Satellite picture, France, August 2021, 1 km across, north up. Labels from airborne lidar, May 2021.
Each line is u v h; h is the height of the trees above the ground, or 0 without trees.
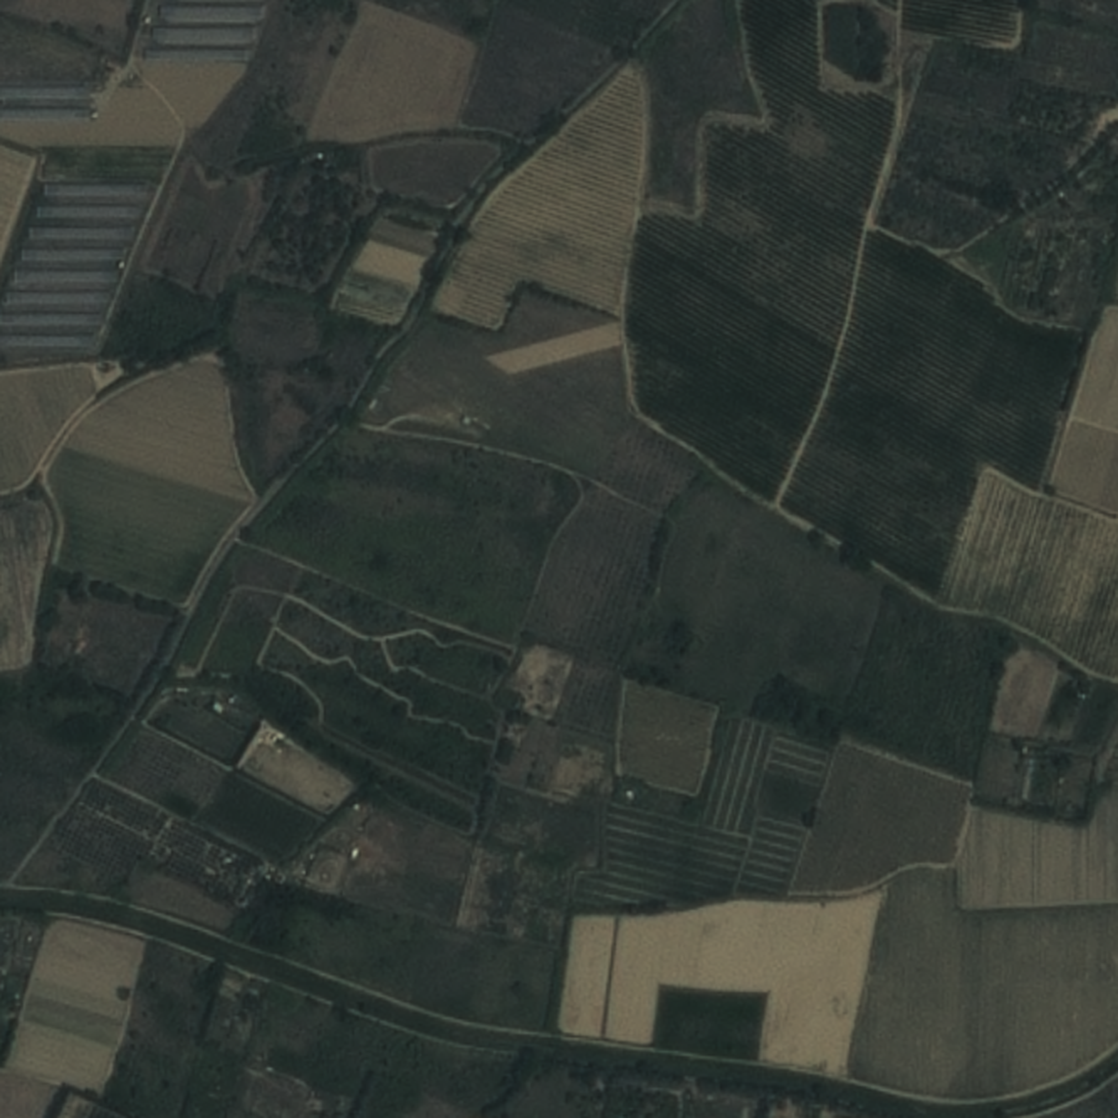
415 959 0
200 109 0
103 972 0
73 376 0
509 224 0
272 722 7
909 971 0
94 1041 0
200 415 0
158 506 0
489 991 0
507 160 6
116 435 0
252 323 0
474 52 0
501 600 0
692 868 0
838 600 0
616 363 0
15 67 0
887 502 0
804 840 0
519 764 0
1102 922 0
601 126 0
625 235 0
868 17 13
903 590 0
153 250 0
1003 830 0
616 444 0
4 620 0
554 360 0
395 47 0
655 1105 14
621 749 0
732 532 0
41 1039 0
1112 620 0
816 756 0
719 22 0
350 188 8
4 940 0
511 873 0
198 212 0
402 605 0
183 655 6
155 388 0
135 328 6
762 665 0
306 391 0
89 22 0
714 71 0
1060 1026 0
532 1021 0
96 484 0
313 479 10
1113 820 0
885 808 0
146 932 0
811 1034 0
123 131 0
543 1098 0
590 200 0
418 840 0
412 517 0
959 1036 0
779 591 0
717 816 0
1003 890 0
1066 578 0
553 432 0
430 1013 0
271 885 9
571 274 0
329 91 0
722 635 0
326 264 7
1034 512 0
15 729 0
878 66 11
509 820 0
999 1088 0
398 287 0
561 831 0
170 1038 0
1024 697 0
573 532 0
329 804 0
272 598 0
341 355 0
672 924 0
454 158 0
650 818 0
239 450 8
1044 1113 0
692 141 0
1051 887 0
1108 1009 0
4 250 0
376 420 0
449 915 0
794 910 0
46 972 0
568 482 0
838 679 0
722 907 0
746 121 0
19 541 0
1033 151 7
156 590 0
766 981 0
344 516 0
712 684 0
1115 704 0
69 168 0
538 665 0
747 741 0
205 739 0
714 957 0
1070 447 0
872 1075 0
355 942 0
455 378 0
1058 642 0
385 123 0
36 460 0
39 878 0
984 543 0
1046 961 0
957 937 0
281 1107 0
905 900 0
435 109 0
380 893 0
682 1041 0
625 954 0
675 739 0
